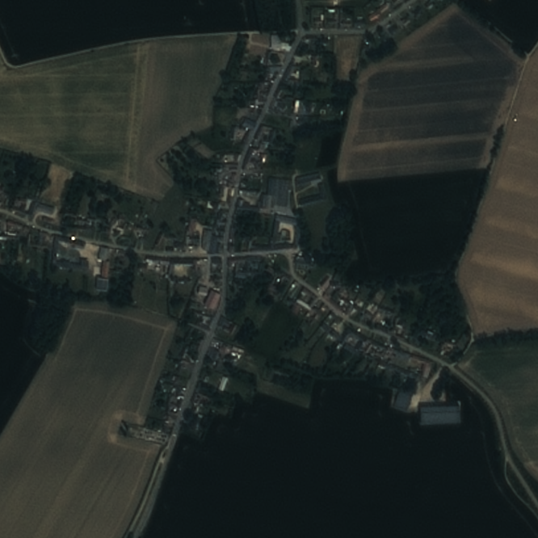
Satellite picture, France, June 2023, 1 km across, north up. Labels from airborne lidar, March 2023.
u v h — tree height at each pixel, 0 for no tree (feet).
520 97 0
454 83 0
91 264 0
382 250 0
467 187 0
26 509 0
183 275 0
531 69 0
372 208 0
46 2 0
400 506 0
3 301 0
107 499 0
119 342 0
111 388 0
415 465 0
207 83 0
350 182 0
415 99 0
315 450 0
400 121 0
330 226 66
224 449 0
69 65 0
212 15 0
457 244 0
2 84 0
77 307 0
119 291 58
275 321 0
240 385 0
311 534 0
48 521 0
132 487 0
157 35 0
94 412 0
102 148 0
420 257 0
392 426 0
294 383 46
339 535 0
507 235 0
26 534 0
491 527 0
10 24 0
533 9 0
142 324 0
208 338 0
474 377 0
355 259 0
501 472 0
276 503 0
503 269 0
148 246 0
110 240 0
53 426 0
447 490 0
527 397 0
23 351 0
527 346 0
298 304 0
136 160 0
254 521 0
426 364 0
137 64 0
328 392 0
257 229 49
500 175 0
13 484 0
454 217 0
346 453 0
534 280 0
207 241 0
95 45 0
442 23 0
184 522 0
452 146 0
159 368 0
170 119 0
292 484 0
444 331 51
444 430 0
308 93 41
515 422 0
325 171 0
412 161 0
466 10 39
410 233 0
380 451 0
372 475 0
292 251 0
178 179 50
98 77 0
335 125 45
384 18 0
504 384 0
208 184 31
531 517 0
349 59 0
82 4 0
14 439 0
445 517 0
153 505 0
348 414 0
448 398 0
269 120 0
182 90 0
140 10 0
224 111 0
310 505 0
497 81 0
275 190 0
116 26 0
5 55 0
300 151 0
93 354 0
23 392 0
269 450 0
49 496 0
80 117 0
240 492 0
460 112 0
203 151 0
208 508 0
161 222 0
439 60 0
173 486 0
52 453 0
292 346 21
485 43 0
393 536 0
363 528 0
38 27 0
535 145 0
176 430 0
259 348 0
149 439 0
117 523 0
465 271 0
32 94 0
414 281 39
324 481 0
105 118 0
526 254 0
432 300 45
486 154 0
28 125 0
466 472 0
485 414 0
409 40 0
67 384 0
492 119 0
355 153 0
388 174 0
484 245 0
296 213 35
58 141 0
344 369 22
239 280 20
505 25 0
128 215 0
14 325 0
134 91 0
